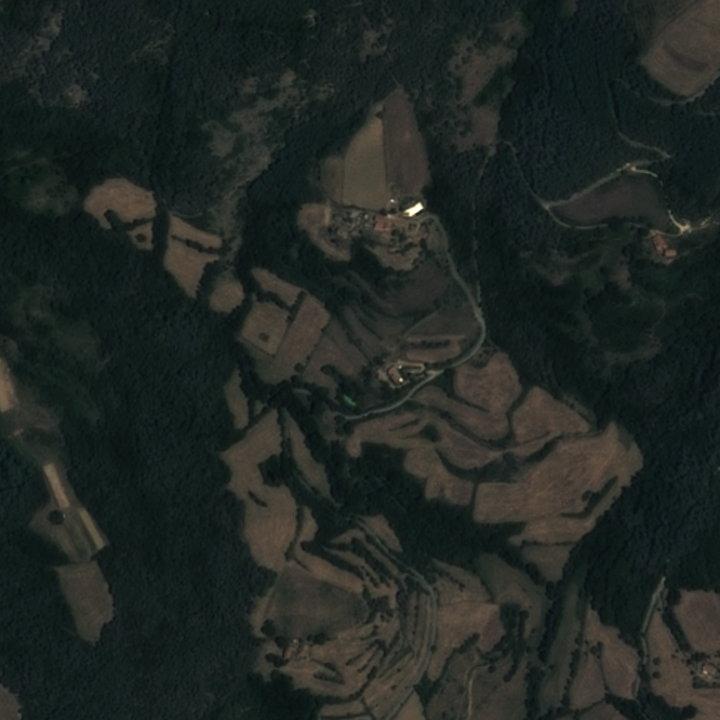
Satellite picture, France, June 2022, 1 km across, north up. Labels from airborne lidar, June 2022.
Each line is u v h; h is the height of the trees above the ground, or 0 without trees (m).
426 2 12
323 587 0
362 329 0
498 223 19
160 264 16
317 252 10
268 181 23
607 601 9
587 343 8
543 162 17
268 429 0
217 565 19
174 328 22
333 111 6
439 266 7
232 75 20
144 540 15
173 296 17
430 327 0
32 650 10
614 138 14
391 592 0
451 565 7
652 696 10
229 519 7
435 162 10
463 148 0
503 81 6
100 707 8
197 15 12
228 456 0
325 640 9
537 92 9
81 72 14
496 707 0
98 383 6
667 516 18
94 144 11
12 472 25
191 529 23
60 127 15
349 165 0
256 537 0
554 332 31
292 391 14
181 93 20
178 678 13
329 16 16
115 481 16
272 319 0
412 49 11
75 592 0
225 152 0
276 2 22
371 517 13
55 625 11
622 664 0
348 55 11
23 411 0
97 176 9
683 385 8
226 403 10
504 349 10
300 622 0
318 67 7
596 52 21
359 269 6
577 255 10
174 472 18
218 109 7
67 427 13
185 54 16
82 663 14
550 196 8
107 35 13
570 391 12
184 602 18
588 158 16
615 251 0
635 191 0
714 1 0
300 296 7
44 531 0
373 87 18
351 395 25
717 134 22
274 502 0
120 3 16
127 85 13
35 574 16
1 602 20
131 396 20
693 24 0
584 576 0
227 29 17
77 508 0
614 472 0
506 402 0
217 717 17
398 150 0
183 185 16
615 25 13
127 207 0
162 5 16
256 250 10
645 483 25
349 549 12
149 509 17
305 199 25
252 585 19
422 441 0
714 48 0
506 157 15
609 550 14
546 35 14
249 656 16
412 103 7
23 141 9
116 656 14
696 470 21
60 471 0
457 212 13
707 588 11
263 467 10
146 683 10
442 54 11
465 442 0
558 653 0
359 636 0
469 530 6
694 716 15
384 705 0
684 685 0
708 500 13
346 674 0
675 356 19
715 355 10
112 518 18
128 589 15
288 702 18
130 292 13
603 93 24
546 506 0
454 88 8
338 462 22
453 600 0
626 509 23
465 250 10
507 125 17
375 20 11
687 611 0
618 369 6
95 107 10
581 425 0
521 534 0
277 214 8
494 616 0
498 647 9
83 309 15
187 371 26
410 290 0
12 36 18
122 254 19
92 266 18
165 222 12
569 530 0
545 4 16
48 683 11
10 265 16
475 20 16
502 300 12
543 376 15
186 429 22
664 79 0
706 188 18
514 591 0
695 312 12
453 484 0
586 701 0
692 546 12
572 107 23
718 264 7
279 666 12
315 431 21
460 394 0
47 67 11
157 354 22
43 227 18
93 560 8
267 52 19
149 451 19
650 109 23
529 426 0
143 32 8
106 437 10
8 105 10
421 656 0
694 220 8
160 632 7
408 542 14
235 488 0
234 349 18
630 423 20
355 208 7
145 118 7
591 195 0
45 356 12
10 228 19
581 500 0
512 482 0
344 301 7
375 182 0
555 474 0
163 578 20
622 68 17
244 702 6
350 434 6
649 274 0
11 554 18
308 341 0
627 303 11
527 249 9
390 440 0
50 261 13
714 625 0
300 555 0
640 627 6
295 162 25
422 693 11
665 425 22
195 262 0
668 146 16
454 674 0
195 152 14
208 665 14
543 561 0
